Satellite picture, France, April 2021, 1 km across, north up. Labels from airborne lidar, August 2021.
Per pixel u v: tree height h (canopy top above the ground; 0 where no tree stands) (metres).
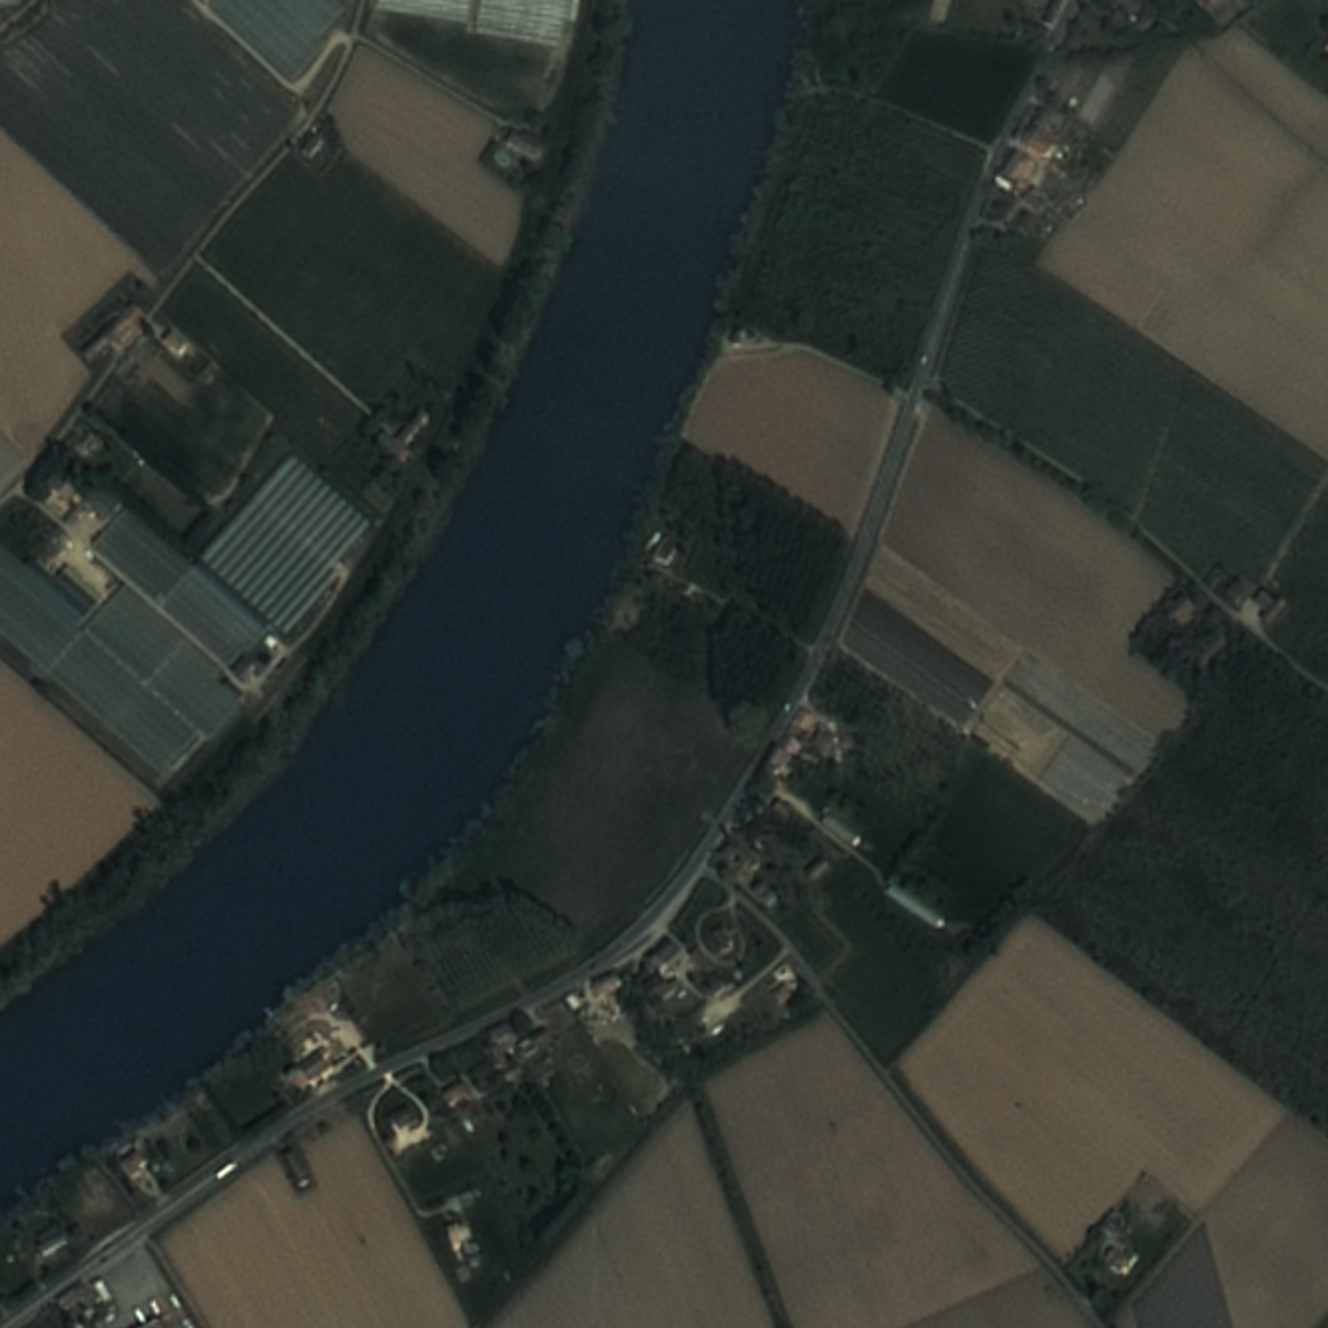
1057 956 0
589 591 0
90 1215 0
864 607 0
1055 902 6
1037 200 0
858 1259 0
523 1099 6
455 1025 0
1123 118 0
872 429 0
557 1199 6
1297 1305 0
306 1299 0
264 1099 0
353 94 0
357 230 0
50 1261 0
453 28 0
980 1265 0
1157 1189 0
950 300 0
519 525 0
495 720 0
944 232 6
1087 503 8
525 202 0
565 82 0
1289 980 6
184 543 11
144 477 0
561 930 28
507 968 0
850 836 0
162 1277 0
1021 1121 0
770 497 21
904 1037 0
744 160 0
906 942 6
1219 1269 0
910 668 0
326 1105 0
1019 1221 0
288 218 0
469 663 0
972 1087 0
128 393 0
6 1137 0
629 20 6
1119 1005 0
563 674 18
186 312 0
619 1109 0
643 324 0
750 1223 0
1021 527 0
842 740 6
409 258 0
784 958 0
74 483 14
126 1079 0
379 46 0
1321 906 8
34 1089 0
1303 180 0
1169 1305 0
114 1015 0
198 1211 0
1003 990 0
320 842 0
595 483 0
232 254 0
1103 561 0
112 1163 7
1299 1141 0
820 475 0
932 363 0
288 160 0
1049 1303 0
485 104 0
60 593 0
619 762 0
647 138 0
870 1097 0
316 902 0
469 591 0
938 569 0
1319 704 14
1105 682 0
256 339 0
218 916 0
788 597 20
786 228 9
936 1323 0
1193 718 12
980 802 0
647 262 0
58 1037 0
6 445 0
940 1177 0
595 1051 0
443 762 0
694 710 0
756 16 0
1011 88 0
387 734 0
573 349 0
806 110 22
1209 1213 0
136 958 0
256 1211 0
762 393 0
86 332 7
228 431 0
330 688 9
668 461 13
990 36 6
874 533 0
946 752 17
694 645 17
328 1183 0
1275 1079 8
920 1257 0
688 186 0
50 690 10
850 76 0
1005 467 0
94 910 9
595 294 0
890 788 20
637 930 0
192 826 17
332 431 0
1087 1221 0
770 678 20
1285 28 0
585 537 0
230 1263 0
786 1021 6
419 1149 0
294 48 0
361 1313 0
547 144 7
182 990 0
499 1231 0
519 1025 10
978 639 0
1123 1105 0
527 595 0
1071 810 0
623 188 0
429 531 7
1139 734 0
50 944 18
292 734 10
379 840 0
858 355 19
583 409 0
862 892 6
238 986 0
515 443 0
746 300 7
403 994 0
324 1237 0
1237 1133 0
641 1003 11
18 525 7
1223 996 6
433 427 6
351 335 0
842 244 7
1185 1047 0
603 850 0
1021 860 0
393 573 16
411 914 31
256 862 0
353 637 18
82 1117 0
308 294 0
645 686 0
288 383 0
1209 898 6
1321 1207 0
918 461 0
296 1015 0
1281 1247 0
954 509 0
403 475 10
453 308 0
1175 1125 0
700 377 10
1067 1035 0
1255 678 8
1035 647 0
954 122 0
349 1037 0
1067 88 0
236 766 13
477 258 0
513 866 0
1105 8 9
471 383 0
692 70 0
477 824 17
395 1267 0
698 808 0
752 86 0
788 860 0
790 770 11
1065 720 0
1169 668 12
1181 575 7
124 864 14
